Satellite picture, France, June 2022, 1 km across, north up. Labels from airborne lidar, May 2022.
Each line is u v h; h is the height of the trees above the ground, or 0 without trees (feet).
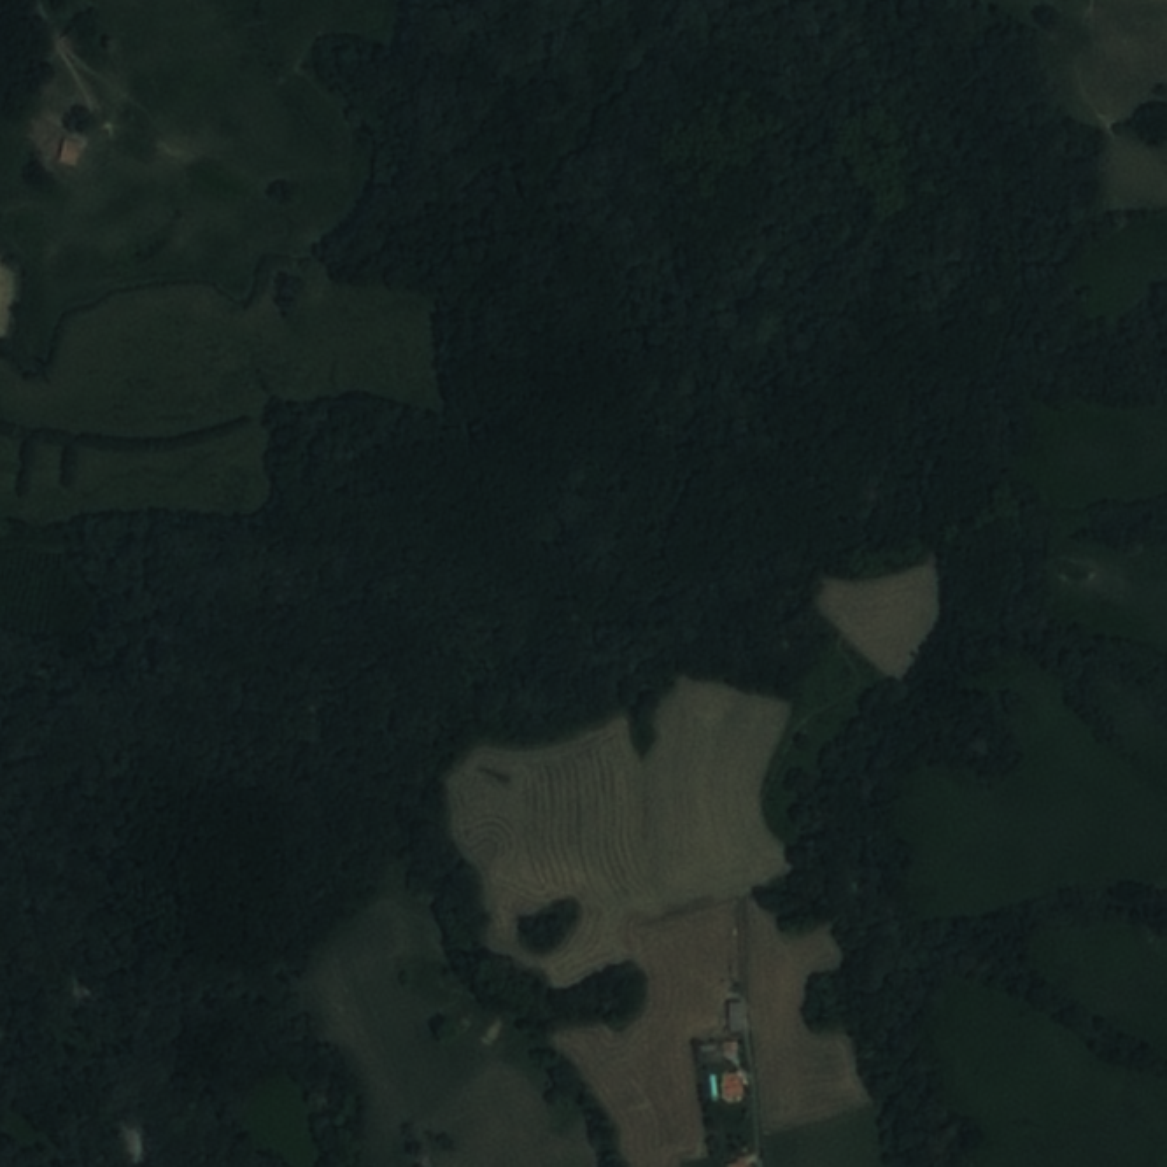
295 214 0
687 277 82
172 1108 65
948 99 48
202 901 89
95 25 18
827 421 65
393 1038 0
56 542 19
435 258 73
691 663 70
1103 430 0
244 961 83
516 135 89
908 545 99
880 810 55
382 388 0
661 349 55
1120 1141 0
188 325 0
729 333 70
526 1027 52
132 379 0
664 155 98
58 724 88
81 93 0
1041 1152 0
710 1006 0
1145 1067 28
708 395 47
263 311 0
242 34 0
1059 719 0
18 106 20
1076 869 0
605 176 70
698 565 57
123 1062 81
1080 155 45
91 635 18
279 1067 62
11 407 0
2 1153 74
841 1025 40
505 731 20
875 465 68
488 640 52
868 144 49
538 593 70
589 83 65
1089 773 0
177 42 0
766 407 70
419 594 66
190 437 28
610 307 63
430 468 59
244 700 59
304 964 55
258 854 87
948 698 61
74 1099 90
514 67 74
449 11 67
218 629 83
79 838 102
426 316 0
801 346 77
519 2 60
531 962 0
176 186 0
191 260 0
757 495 73
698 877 0
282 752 28
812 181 56
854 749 62
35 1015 93
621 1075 0
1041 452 0
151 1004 69
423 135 98
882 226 42
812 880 72
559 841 0
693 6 74
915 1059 53
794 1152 0
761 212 66
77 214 0
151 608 91
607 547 77
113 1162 54
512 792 0
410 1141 36
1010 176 65
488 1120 0
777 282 52
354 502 63
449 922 90
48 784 83
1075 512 0
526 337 77
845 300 73
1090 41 0
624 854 0
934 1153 49
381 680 65
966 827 0
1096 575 0
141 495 0
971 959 59
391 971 0
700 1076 0
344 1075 73
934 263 46
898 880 59
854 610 0
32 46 45
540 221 77
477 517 80
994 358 43
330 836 94
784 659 81
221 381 0
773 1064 0
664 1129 0
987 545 72
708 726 0
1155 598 0
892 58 50
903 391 57
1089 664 24
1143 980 0
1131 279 0
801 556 55
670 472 60
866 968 91
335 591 79
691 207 86
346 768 54
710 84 85
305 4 0
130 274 0
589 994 63
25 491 30
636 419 61
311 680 34
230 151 0
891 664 0
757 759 0
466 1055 0
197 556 76
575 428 69
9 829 84
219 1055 64
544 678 94
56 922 67
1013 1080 0
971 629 52
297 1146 0
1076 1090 0
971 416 70
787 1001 0
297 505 73
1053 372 47
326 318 0
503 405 75
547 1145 0
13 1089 68
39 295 0
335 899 87
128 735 73
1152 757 0
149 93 0
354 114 55
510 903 0
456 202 54
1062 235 65
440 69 92
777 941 0
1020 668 0
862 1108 0
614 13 62
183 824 80
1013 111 85
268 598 69
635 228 78
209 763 62
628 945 0
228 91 0
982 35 43
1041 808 0
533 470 75
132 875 108
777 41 30
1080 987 0
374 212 69
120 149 0
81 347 0
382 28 0
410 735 73
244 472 0
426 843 94
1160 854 0
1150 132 47
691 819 0
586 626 66
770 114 77
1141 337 52
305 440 39
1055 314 70
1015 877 0
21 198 0
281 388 0
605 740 0
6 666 84
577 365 81
